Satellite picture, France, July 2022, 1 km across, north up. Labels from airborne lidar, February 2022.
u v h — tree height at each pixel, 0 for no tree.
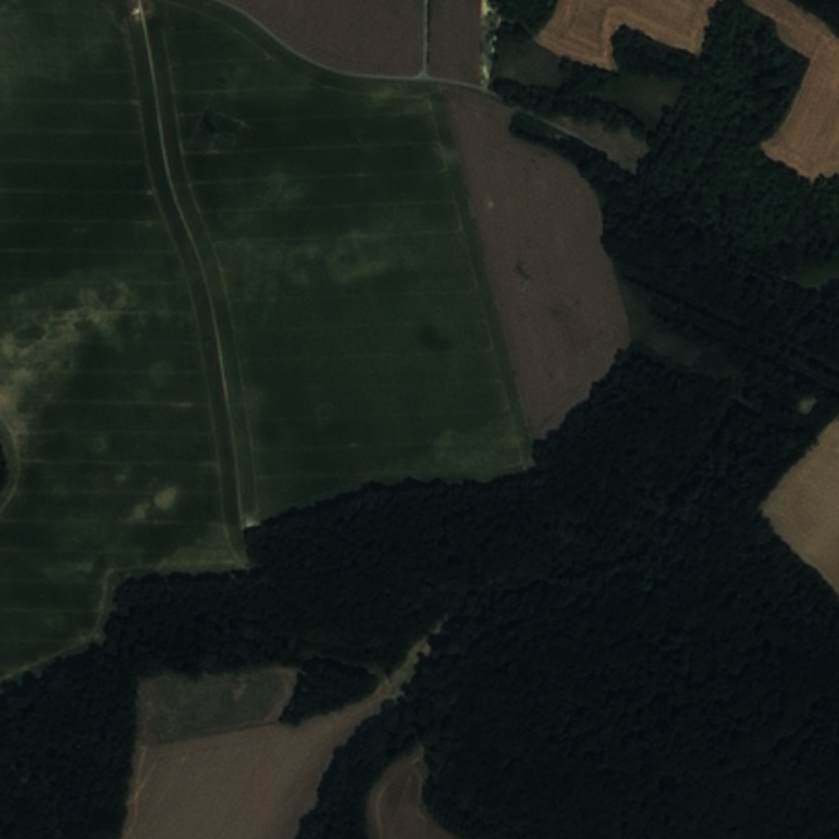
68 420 0
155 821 0
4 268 0
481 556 18
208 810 0
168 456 0
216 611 20
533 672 25
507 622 17
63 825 18
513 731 26
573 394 0
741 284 24
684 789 28
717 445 20
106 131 0
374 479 0
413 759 0
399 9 0
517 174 0
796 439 22
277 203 0
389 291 0
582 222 0
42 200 0
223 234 0
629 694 23
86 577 0
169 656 11
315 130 0
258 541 13
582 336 0
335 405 0
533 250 0
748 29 7
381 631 24
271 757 0
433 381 0
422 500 20
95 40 0
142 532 0
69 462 0
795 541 0
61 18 0
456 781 22
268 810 0
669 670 30
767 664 25
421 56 0
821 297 11
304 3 0
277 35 0
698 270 24
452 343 0
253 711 0
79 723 24
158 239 0
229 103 0
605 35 0
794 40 0
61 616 0
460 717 22
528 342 0
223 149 0
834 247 17
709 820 22
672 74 16
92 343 0
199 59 0
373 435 0
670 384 18
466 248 0
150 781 0
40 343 0
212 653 28
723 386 15
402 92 0
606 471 16
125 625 14
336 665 20
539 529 21
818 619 28
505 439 0
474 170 0
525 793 24
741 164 15
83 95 0
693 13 0
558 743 25
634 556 16
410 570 22
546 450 18
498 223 0
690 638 26
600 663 22
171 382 0
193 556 0
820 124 0
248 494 0
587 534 22
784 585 26
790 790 28
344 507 18
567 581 24
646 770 26
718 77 11
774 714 27
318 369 0
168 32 0
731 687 27
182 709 0
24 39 0
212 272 0
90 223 0
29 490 0
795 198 16
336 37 0
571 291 0
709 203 13
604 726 25
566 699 22
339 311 0
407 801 0
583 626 21
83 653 0
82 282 0
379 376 0
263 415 0
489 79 0
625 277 6
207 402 0
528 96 14
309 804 0
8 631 0
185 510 0
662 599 22
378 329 0
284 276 0
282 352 0
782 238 9
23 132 0
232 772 0
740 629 29
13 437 0
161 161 0
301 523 17
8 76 0
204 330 0
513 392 0
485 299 0
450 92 0
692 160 15
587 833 27
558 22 0
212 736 0
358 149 0
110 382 0
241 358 0
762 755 29
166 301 0
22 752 26
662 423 18
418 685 12
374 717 0
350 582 20
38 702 25
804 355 20
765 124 16
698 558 22
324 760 0
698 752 27
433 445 0
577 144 6
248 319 0
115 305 0
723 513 28
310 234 0
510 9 7
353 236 0
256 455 0
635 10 0
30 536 0
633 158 0
